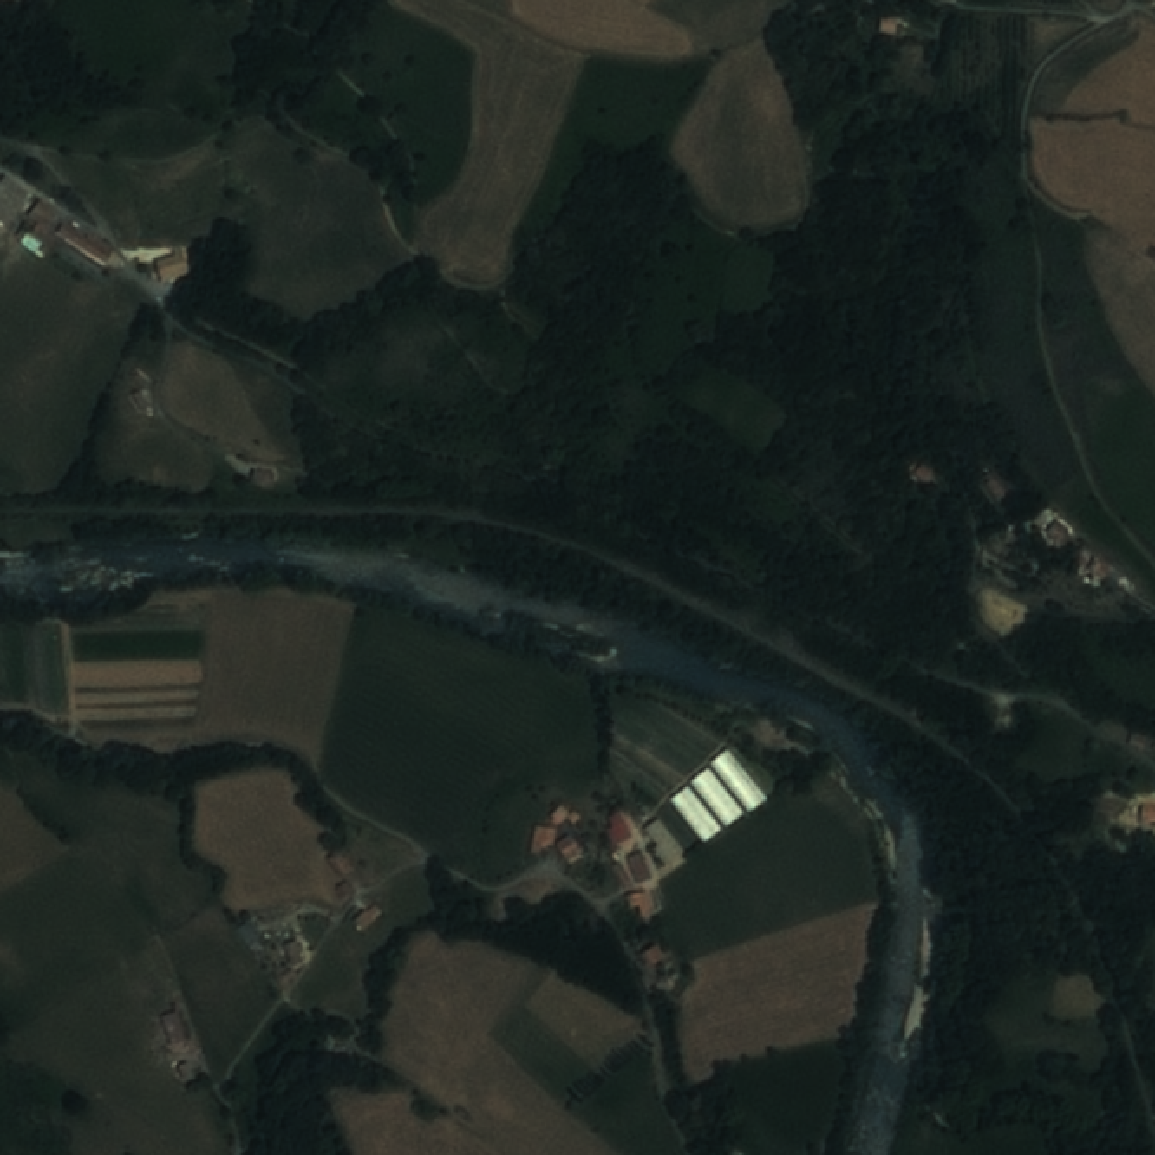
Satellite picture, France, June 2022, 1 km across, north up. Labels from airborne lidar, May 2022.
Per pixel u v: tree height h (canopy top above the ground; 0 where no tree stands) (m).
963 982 28
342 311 8
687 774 0
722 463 12
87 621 17
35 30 21
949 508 19
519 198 0
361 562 0
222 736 0
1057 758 0
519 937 17
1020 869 23
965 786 24
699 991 0
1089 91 0
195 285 19
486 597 0
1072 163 0
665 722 0
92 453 14
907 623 18
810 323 22
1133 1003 20
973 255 14
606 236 18
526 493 20
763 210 0
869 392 17
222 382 0
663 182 16
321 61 15
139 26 0
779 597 16
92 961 0
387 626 0
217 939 0
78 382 0
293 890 0
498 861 0
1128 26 0
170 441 0
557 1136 0
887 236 29
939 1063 18
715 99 0
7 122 15
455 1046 0
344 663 0
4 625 11
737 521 9
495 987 0
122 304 0
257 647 0
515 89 0
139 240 0
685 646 6
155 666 0
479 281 0
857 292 16
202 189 0
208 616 0
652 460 12
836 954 0
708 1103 19
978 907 20
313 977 0
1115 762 0
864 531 8
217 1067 0
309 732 0
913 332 23
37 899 0
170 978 0
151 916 0
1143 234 0
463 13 0
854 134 21
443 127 0
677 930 0
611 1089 0
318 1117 11
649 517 13
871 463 19
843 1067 0
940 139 13
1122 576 0
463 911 18
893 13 8
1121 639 12
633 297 9
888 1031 0
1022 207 12
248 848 0
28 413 0
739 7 0
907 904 0
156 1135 0
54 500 16
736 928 0
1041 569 6
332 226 0
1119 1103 12
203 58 0
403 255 0
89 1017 0
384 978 20
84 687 0
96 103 7
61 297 0
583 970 18
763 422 0
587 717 0
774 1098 0
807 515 7
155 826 0
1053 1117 20
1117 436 0
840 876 0
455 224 0
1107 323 0
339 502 14
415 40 0
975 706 12
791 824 0
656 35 0
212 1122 0
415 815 0
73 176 0
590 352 16
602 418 7
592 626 0
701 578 17
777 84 0
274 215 0
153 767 22
